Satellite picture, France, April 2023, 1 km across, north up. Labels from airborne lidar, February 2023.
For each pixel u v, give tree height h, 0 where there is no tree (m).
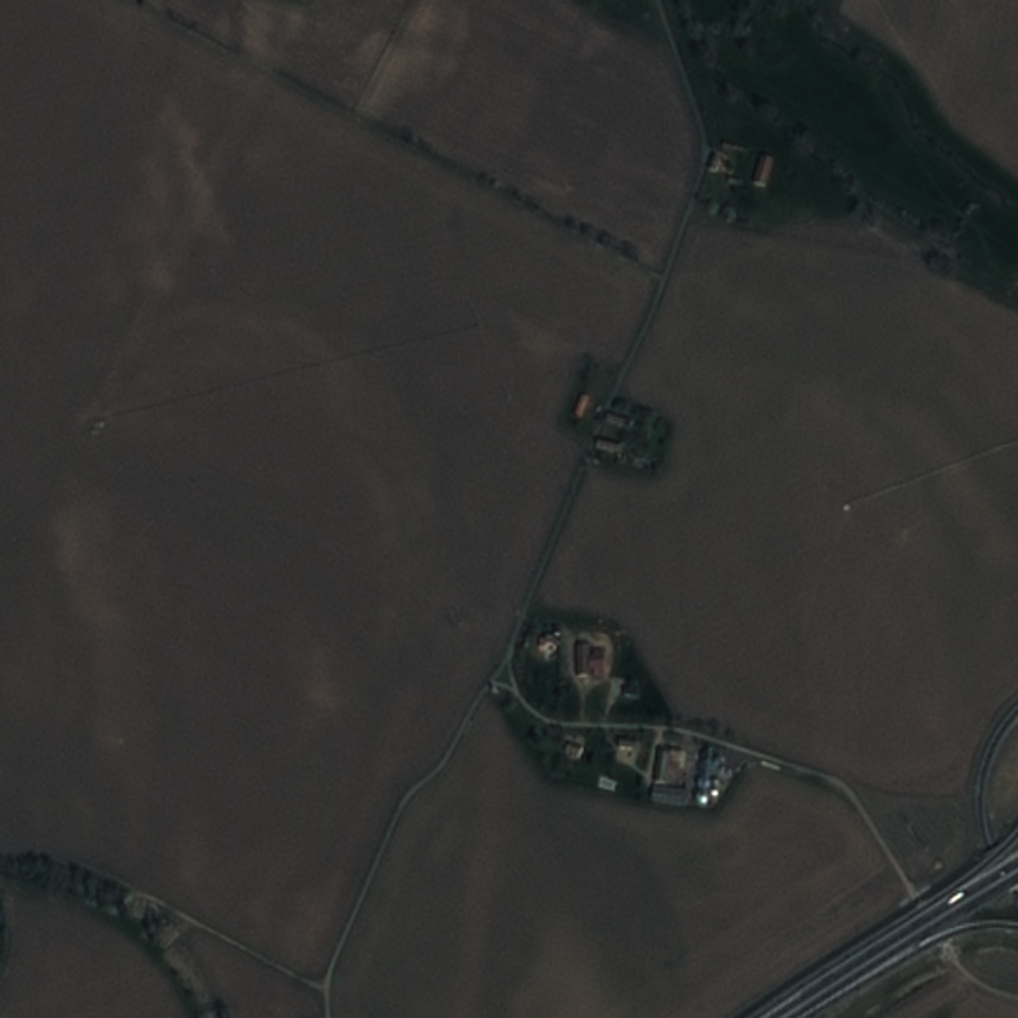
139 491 0
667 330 0
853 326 0
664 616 0
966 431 0
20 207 0
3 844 0
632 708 0
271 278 0
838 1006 0
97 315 0
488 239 0
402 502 0
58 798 0
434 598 0
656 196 0
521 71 0
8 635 0
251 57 0
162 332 0
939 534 0
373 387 0
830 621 0
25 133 0
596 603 0
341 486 0
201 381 0
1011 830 0
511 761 0
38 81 0
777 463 0
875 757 0
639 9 0
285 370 0
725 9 0
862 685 0
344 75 0
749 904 0
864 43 0
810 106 0
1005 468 0
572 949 0
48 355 0
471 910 0
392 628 0
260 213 0
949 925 0
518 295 0
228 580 0
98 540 0
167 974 0
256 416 0
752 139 0
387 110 0
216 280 0
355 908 0
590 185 0
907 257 0
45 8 0
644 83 0
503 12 0
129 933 0
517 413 0
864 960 0
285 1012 0
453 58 0
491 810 0
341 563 0
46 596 0
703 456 0
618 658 0
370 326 0
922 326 0
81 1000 0
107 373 0
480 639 0
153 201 0
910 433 0
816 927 0
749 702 0
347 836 0
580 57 0
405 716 0
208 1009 0
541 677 13
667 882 0
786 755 0
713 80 0
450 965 0
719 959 0
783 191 0
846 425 0
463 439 0
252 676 0
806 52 0
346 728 0
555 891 0
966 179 0
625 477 0
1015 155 0
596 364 16
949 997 0
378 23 0
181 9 0
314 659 0
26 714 0
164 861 0
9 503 0
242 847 0
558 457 0
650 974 0
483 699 0
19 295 0
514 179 0
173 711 0
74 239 0
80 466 0
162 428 0
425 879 0
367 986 0
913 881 0
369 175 0
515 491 0
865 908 0
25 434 0
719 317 0
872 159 0
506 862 0
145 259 0
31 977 0
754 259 0
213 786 0
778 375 0
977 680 0
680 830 0
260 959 0
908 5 0
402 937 0
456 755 0
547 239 0
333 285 0
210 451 0
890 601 0
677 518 0
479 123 0
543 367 0
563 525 0
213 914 0
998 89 0
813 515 0
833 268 0
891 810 0
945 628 0
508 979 0
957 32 0
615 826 0
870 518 0
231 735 0
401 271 0
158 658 0
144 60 0
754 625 0
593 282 0
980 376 0
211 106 0
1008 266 0
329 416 0
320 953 0
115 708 0
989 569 0
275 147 0
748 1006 0
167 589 0
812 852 0
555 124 0
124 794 0
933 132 0
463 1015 0
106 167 0
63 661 0
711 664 0
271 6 0
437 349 0
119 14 0
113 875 0
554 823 0
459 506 0
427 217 0
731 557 0
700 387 0
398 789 0
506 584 0
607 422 13
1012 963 0
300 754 0
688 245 0
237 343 0
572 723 0
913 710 0
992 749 0
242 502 0
